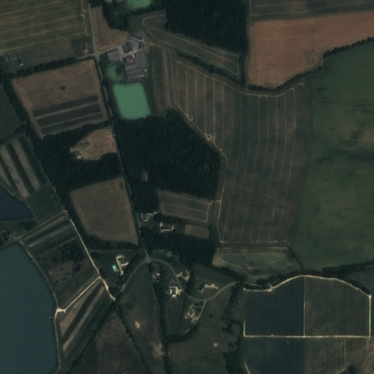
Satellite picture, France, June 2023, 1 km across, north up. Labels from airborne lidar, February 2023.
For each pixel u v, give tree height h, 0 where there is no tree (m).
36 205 0
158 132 23
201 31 25
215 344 0
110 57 0
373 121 0
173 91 0
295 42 0
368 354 0
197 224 0
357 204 0
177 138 25
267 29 0
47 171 16
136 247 18
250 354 0
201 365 0
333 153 0
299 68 0
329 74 0
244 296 0
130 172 21
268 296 0
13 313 0
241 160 0
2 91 0
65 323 0
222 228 0
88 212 0
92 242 9
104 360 0
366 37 0
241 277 12
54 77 0
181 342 13
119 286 13
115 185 0
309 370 0
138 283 0
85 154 0
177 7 23
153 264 9
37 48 0
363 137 0
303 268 0
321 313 0
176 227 0
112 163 23
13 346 0
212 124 0
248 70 0
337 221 0
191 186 18
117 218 0
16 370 0
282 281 11
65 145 22
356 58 0
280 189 0
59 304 0
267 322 0
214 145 0
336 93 0
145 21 0
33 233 0
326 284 0
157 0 0
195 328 6
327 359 0
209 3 24
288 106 0
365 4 0
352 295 0
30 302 0
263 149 0
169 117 16
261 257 0
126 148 23
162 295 19
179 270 0
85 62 0
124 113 0
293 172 0
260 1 0
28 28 0
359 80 0
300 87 0
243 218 0
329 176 0
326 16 0
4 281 0
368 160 0
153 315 0
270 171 0
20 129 14
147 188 23
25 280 0
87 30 0
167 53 0
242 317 0
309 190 0
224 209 0
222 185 0
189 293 18
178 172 25
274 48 0
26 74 9
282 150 0
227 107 0
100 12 0
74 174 18
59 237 0
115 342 0
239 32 23
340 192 0
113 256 0
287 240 0
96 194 0
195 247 16
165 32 0
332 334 0
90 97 0
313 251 0
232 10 24
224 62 0
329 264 0
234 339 0
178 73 0
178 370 0
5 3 0
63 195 15
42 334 0
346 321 0
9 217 0
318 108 0
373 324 0
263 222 0
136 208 18
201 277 0
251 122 0
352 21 0
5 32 0
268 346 0
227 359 9
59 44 0
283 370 0
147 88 0
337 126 0
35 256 0
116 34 0
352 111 0
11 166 0
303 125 0
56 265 0
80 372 0
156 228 12
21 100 0
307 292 0
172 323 0
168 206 0
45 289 0
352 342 0
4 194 0
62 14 0
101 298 0
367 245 0
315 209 0
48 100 0
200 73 0
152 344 0
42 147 19
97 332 10
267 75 0
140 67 0
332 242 0
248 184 0
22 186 0
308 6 0
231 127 0
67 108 0
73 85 0
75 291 0
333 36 0
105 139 0
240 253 0
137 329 0
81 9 0
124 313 18
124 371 0
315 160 0
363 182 0
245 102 0
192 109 0
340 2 0
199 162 24
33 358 0
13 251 0
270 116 0
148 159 25
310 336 0
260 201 0
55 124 0
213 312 0
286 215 0
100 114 0
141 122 20
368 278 0
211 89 0
